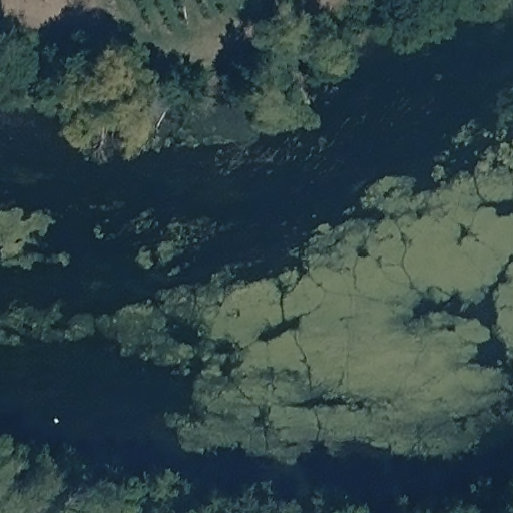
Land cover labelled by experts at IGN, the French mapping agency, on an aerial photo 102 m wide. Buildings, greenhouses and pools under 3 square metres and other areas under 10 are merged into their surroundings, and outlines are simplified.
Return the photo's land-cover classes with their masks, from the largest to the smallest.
<instances>
[{"label":"water","instance_id":"1","mask_svg":"<svg viewBox=\"0 0 513 513\"><path fill-rule=\"evenodd\" d=\"M309 96L311 110L321 118L319 128H297L281 134H261L252 144L234 142L204 144L196 148L168 146L160 148L158 152L148 150L132 158L122 156L120 160H84L82 150L70 146V142L64 138L62 122L58 118L46 116L30 108L24 112H0V210L22 208L30 214H50L54 222L48 226L46 234L36 244H24L22 252L68 257V265L34 263L30 269L4 267L0 259V315L12 313L20 307L50 309L56 303L62 315L52 327L58 331H66L68 327H72L74 317L78 315H114L116 311L128 305H144L150 297L166 289H178L184 285H208L212 275L222 271L224 267H228L230 273L236 275L244 285L279 277L287 271H295L303 265V261L289 257V248L307 250L309 240L315 236V228H319L321 224L339 226L349 220H385V212L377 208H363L361 204L365 192L379 180L387 176L413 178V192L421 194L439 190L433 178L435 166H443V178L447 184H453V180L459 178L461 172H475L477 164L485 160L487 150L499 148L495 138H483V132L495 130L499 114L513 108V4L495 22L459 20L457 32L451 40H443L439 44H425L423 48L411 54H399L393 50V46L387 44L365 42L359 54V66L351 78H345L339 84H309L303 88ZM471 120L477 122L473 132L469 134L471 142L467 146L455 142V136ZM140 212H148L152 220H158V224L136 234L134 224ZM202 216L212 218L216 222L214 238L204 242L200 250L184 248L182 254H176L168 263H160L158 246L162 242H168L170 238L168 224L192 222ZM513 265V254L501 265L497 279L487 287V295L481 303H473L469 309H461V297L459 293H453L447 301H419V305L413 307L415 319H423L431 313H449L461 319H475L483 327H487L489 341L479 343L475 359L481 367L501 369L509 377V383H513V361L505 353V343L499 339V327L495 325V293L501 285L509 281L507 273ZM168 335L182 345L194 347L200 341L196 329L188 325L184 319L170 315V319L166 321ZM301 321L293 317L281 321L275 327H267L259 335V341H271L287 331L299 329ZM204 369L202 359H190L188 375H172V371L166 365H156L152 359L120 355V343L104 335H88L76 341L52 343L34 337H22L18 345L0 343V437H10L16 445L28 443L40 451L48 449V453H52L58 447L70 445L84 457L86 467L92 469L100 481H110L122 487H126L130 479H140V483L150 485L152 481L164 477L170 471L190 483V493L202 507L210 505L214 499H238L250 485L267 481L273 487L275 501L295 503L301 507L305 501L337 497L345 509L351 505L367 507L369 513H513V427L485 433L481 437V443L471 447V451L455 453L449 459L441 455L407 457L383 447H373L363 441H345L343 451L339 455H331L321 441H315L313 449L309 453L299 455L297 463L293 465L281 463L275 457L252 455L242 447H210L204 453H194L180 447L178 431L166 425V413H188L190 405L194 403V383ZM216 353L226 355L220 373L226 377L232 373V369L240 367L242 363L234 359V347L230 341H220L216 345ZM345 405L341 397H313L301 401L303 409Z\"/></svg>","mask_w":513,"mask_h":513},{"label":"herbaceous vegetation","instance_id":"2","mask_svg":"<svg viewBox=\"0 0 513 513\"><path fill-rule=\"evenodd\" d=\"M254 114L238 110L228 102L224 106L214 104L210 108L208 118H200L194 122H184L182 118H174L168 112L160 130H152L148 134V150L158 152L160 148L168 146L196 148L204 144L234 142L252 144L261 134L252 128ZM483 138H495L499 148L487 150L485 160L477 164L475 172H461L459 178L453 180V184H447L443 178V166H435L433 178L439 190L421 194L413 192V178L387 176L379 180L365 192L361 204L363 208H377L385 212V220H349L339 226L321 224L319 228H315V236L309 240L307 250L289 248V257L303 261V265L295 271H287L279 277L244 285L236 275L230 273L228 267H224L222 271L212 275L208 285H184L178 289H166L150 297L144 305H128L116 311L114 315H78L74 317L72 327H68L66 331H58L52 327L62 315L56 303L50 309L20 307L12 313L0 315V343L18 345L22 337H34L52 343L76 341L88 335H104L120 343V355L152 359L156 365H166L172 371V375H188L190 359H202L204 369L194 383V403L190 405L188 413H166V425L178 431L180 447L194 453H204L210 447H242L252 455L275 457L281 463L293 465L297 463L299 455L309 453L313 449L315 441H321L331 455H339L343 451L345 441H363L373 447H383L407 457L441 455L449 459L455 453L471 451V447L481 443V437L485 433L513 427V383H509V377L501 369L481 367L475 359L479 343L489 341L487 327H483L475 319H461L449 313H431L423 319H415L413 307L419 305V301H447L453 293H459L461 297V309H469L473 303H481L487 295V287L497 279L501 265L513 254V108L499 114L495 130L483 132ZM170 315L184 319L188 325L196 329L200 341L194 347L182 345L168 335L166 321L170 319ZM293 317L301 321L299 329L287 331L271 341H259V335L267 327H275L281 321ZM220 341H230L234 347V359L242 363L240 367L232 369V373L226 377L220 373L226 355L216 353V345ZM313 397H341L345 405L303 409L301 401ZM477 122L471 120L455 136V142L467 146L471 142L469 134L473 132ZM54 222L50 214H30L22 208L0 210V259L4 267L30 269L34 263L68 265V257L22 252L24 244H36L46 234L48 226ZM158 224V220H152L148 212H140L134 224L136 234ZM170 238L168 242H162L158 246L160 263H168L176 254H182L184 248L200 250L204 242L214 238L216 222L212 218L202 216L192 222L168 224ZM509 281L501 285L495 293V325L499 327V339L505 343V353L513 361V265L507 273Z\"/></svg>","mask_w":513,"mask_h":513},{"label":"deciduous trees","instance_id":"3","mask_svg":"<svg viewBox=\"0 0 513 513\"><path fill-rule=\"evenodd\" d=\"M513 4V0H345V4L331 8L327 14H305L301 18H295L291 6L281 4L279 12L269 22L248 26L246 34L232 38L230 48H220V52L214 58V70L218 76V82L214 86L208 84L202 72L196 74L188 68L164 74L148 70L144 64L150 62V42L144 40H134V46L122 44L104 50L100 44H92L90 40H86L88 34L80 30L74 32L60 46L48 44L42 36H38V28H30L26 24H20L0 34V112H24L30 108L46 116L58 118L62 122L64 138L70 142V146L82 150L84 160H120L122 156L132 158L148 150V134L152 130H160L168 112L174 118H182L184 122H194L200 118H208L210 108L214 104L224 106L228 102L238 110L254 114L252 128L261 134H281L297 128H319L321 118L311 110L309 96L303 88L309 84H339L345 78H351L359 66V54L365 42L387 44L393 46V50L399 54H411L423 48L425 44H439L443 40H451L457 32L459 20L495 22ZM0 513H369L367 507L351 505L345 509L337 497L305 501L301 507L295 503L275 501L273 487L267 481L250 485L238 499H214L210 505L202 507L190 493V483L170 471L164 477L152 481L150 485L140 483V479H130L126 487H122L110 481H100L92 469L86 467L84 457L70 445L58 447L52 453H48V449L40 451L28 443L16 445L10 437H0Z\"/></svg>","mask_w":513,"mask_h":513},{"label":"agricultural land","instance_id":"4","mask_svg":"<svg viewBox=\"0 0 513 513\"><path fill-rule=\"evenodd\" d=\"M281 4L291 6L295 18H301L305 14H327L331 8L345 4V0H0V34L20 24H26L30 28H38V36H42L48 44L60 46L74 32L80 30L88 34L86 40H90L92 44H100L104 50L122 44L134 46V40H144L150 42V62L144 64L148 70L164 74L188 68L196 74L202 72L208 84L214 86L218 82V76L214 70V58L220 52V48H230L232 38L246 34L248 26L269 22L279 12Z\"/></svg>","mask_w":513,"mask_h":513}]
</instances>
